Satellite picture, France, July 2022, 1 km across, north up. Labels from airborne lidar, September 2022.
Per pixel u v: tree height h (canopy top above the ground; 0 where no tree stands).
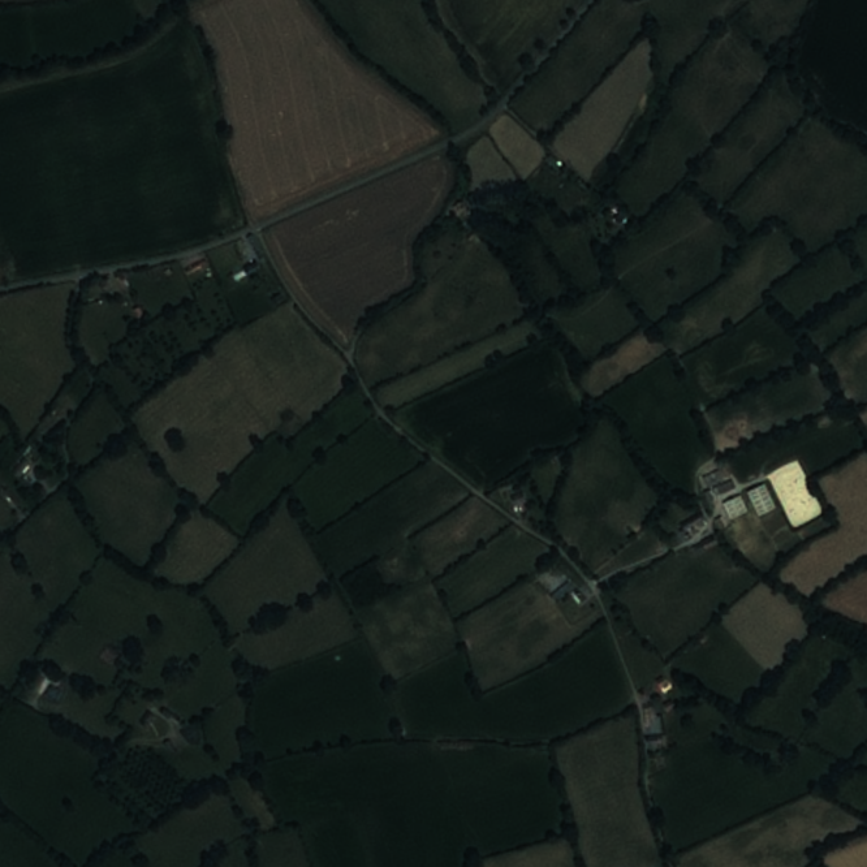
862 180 0
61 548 0
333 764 0
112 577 0
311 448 0
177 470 0
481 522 0
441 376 0
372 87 0
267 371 0
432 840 0
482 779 0
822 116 8
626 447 13
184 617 0
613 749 0
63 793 0
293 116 0
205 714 0
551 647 0
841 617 8
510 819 0
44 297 0
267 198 0
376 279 0
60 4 6
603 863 0
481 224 31
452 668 0
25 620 0
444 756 0
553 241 0
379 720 0
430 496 0
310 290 0
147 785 9
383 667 0
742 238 14
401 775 0
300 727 0
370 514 0
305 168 0
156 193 0
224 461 0
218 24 0
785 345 0
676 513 0
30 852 0
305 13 0
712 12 0
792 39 7
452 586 0
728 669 0
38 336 0
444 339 0
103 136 0
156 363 7
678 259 0
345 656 0
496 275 0
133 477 0
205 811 0
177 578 0
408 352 0
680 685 12
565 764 0
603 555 0
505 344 0
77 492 13
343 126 0
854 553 0
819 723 14
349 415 0
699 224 0
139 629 0
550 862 0
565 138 0
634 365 0
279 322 0
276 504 9
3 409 13
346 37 10
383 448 0
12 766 0
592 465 0
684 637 0
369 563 7
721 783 0
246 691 15
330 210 0
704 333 0
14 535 15
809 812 0
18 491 8
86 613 0
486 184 0
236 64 0
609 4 0
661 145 0
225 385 0
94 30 0
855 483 0
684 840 0
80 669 0
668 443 0
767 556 0
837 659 0
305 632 0
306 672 0
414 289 6
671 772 0
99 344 0
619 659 0
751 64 0
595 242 11
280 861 0
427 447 0
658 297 0
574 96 0
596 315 0
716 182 0
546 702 0
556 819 0
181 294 0
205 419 0
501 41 0
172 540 7
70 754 0
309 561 0
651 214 8
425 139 0
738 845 0
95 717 0
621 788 0
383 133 0
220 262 0
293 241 0
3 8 10
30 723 0
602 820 0
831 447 0
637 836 0
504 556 0
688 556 0
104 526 0
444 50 0
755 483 0
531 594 0
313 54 0
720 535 8
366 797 0
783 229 8
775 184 0
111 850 14
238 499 0
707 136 0
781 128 0
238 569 0
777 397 0
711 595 0
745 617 0
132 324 10
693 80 0
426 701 0
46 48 0
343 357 9
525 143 0
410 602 0
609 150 0
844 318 0
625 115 0
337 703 0
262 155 0
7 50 0
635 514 0
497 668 0
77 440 0
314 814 0
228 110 0
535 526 6
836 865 0
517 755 0
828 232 0
